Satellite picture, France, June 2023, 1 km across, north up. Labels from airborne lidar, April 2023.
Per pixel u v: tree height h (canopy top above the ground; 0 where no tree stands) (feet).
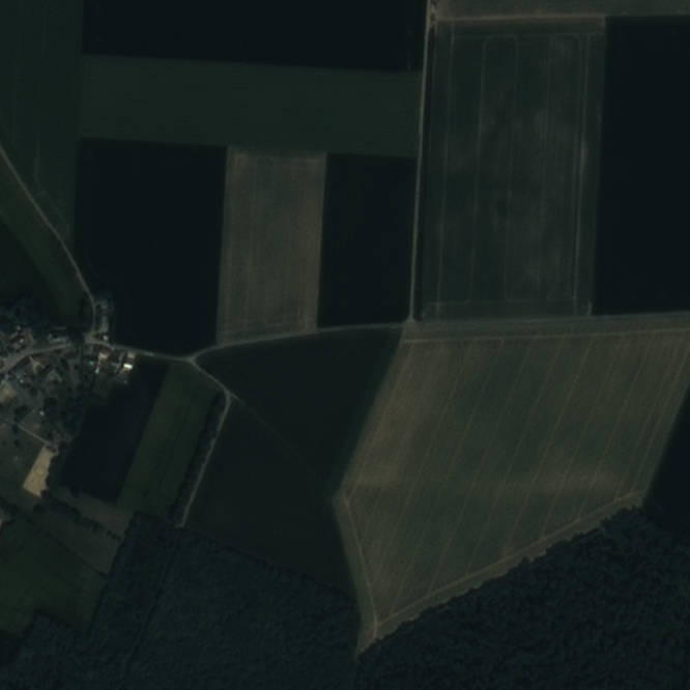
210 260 0
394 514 0
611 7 0
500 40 0
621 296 0
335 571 0
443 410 0
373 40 0
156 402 0
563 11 0
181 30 0
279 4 0
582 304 0
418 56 0
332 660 71
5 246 0
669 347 0
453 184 0
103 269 0
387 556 0
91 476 0
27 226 0
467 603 61
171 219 0
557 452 0
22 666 63
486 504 0
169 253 0
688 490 0
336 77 0
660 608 70
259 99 0
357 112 0
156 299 0
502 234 0
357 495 0
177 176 0
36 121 0
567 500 0
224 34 0
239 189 0
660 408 0
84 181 0
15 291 0
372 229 0
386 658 74
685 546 55
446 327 0
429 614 42
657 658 79
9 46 0
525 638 83
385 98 0
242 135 0
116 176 0
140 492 0
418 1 0
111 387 0
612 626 41
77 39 0
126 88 0
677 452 0
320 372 0
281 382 0
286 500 0
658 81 0
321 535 0
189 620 55
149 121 0
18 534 0
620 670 78
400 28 0
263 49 0
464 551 0
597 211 0
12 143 0
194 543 56
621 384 0
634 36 0
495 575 0
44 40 0
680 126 0
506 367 0
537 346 0
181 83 0
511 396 0
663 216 0
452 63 0
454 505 0
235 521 0
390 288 0
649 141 0
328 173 0
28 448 0
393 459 0
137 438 0
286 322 0
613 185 0
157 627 46
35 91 0
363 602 0
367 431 0
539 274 0
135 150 0
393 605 0
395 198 0
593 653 81
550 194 0
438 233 0
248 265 0
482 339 0
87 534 0
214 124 0
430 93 0
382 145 0
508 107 0
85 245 0
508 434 0
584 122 0
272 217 0
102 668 60
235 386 0
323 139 0
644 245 0
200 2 0
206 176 0
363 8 0
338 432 0
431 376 0
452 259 0
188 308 0
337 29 0
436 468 0
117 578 21
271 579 49
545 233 0
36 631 46
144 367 0
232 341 0
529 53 0
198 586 51
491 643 75
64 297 0
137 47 0
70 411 28
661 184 0
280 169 0
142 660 61
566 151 0
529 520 0
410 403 0
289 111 0
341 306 0
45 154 0
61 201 0
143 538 28
